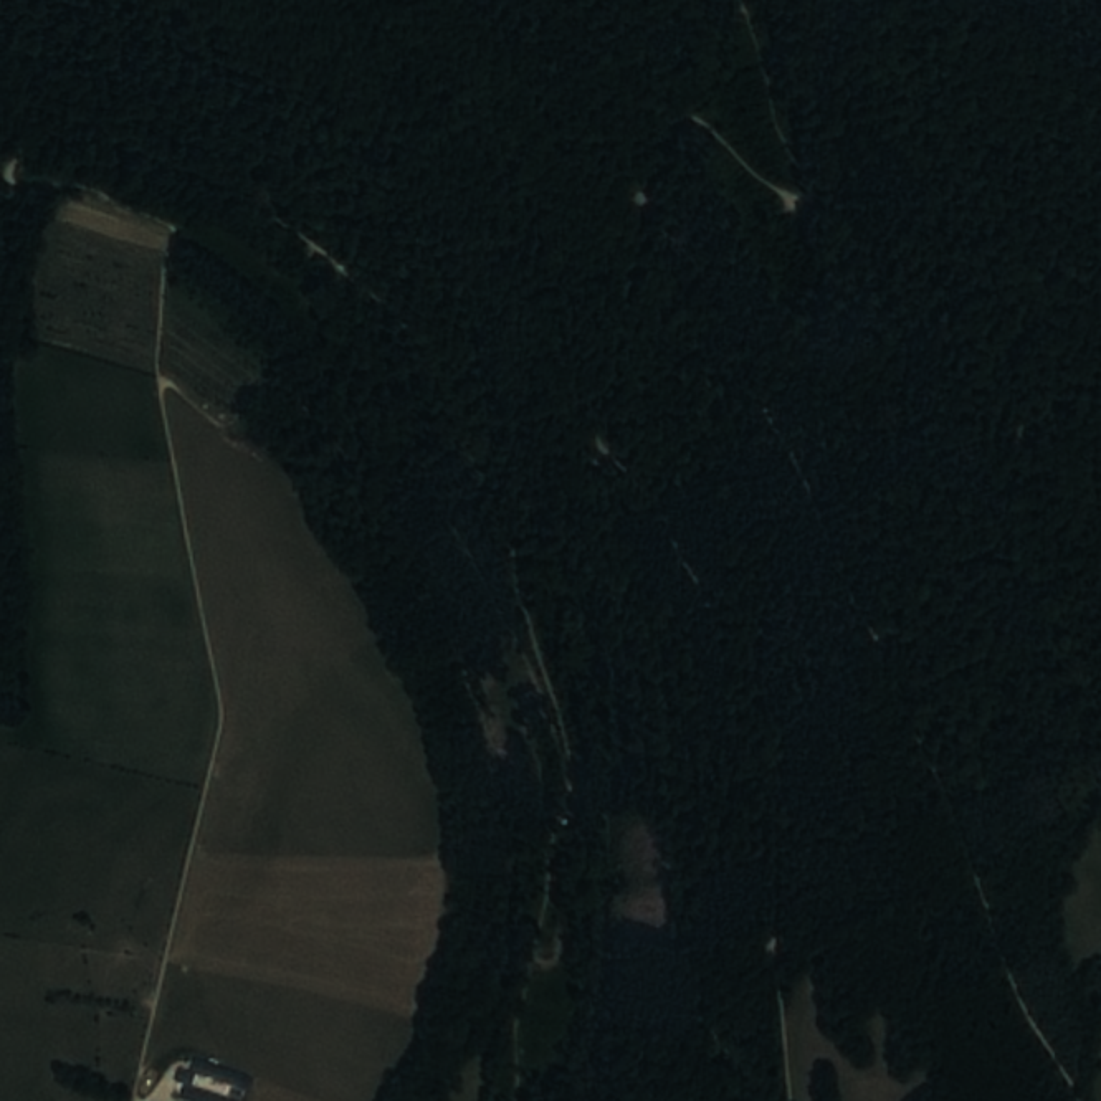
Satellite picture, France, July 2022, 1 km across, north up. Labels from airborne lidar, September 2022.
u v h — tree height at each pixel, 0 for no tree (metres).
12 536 25
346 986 0
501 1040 30
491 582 29
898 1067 20
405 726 0
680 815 28
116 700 0
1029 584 31
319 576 0
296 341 14
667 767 25
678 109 28
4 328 24
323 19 27
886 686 26
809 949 22
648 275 33
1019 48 31
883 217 25
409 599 22
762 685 25
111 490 0
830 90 33
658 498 21
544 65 28
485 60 25
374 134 32
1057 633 29
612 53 26
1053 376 28
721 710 25
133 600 0
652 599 26
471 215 29
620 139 26
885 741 26
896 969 23
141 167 26
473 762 25
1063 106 27
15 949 0
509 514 29
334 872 0
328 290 35
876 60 28
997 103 26
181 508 0
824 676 30
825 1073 18
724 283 23
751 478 27
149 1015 0
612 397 30
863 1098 0
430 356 31
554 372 27
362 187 31
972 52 29
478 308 28
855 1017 18
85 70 31
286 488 0
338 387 26
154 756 0
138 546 0
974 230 19
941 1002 14
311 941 0
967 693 25
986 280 15
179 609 0
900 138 24
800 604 29
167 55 30
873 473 25
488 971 33
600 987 8
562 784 8
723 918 30
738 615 27
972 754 24
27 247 20
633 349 29
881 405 22
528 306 27
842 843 20
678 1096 22
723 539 25
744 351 22
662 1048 28
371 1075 0
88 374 0
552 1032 0
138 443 0
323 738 0
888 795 28
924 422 23
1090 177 24
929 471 25
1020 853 11
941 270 20
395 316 28
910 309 26
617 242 29
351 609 0
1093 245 26
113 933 0
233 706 0
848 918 27
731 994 26
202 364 0
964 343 26
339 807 0
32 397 0
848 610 28
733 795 30
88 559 0
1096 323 27
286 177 33
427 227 37
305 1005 0
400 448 25
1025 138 21
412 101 26
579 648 7
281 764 0
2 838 0
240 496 0
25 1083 0
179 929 0
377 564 23
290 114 29
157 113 30
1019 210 26
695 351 27
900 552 28
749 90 5
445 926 15
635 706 20
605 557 24
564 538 26
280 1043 0
